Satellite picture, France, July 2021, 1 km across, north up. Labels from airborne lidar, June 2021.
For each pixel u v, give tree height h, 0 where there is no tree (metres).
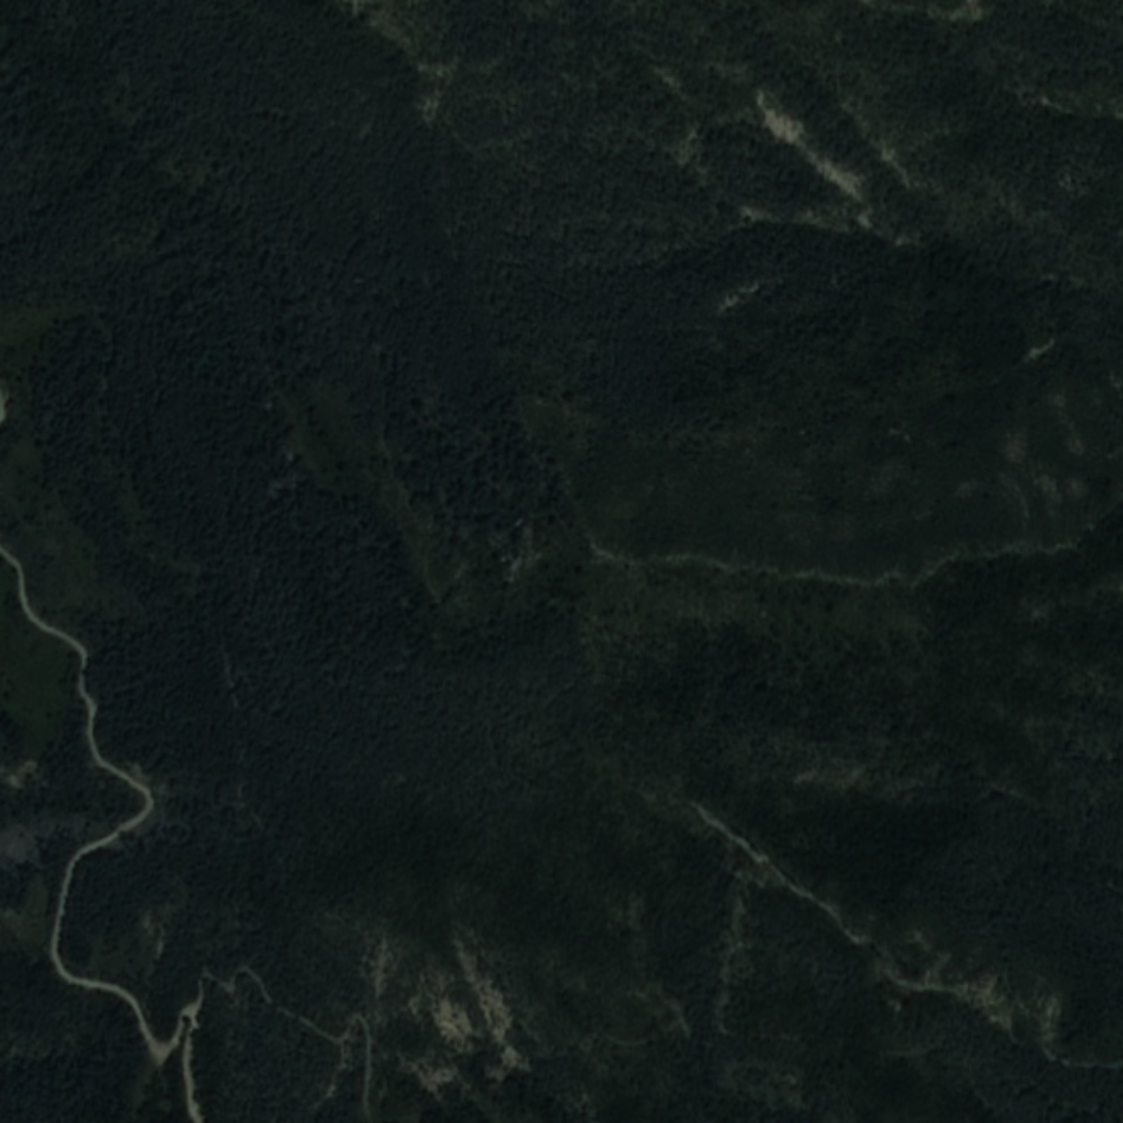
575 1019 6
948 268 12
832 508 9
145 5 7
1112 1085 19
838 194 11
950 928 8
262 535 9
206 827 11
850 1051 8
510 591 6
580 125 11
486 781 7
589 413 7
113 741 7
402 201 11
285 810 7
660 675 10
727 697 15
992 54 7
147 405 14
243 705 8
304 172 12
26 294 9
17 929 0
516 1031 9
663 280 12
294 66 8
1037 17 10
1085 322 10
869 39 11
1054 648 9
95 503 9
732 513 0
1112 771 13
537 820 7
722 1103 8
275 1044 5
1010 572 10
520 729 11
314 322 10
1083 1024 11
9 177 8
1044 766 6
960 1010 12
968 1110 7
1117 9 7
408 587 8
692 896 8
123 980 6
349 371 8
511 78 10
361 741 9
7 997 7
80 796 11
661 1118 6
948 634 7
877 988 8
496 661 12
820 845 9
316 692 9
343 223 14
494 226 12
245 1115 8
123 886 7
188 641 9
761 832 7
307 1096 10
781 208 11
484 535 6
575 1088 7
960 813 10
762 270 11
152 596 11
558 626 11
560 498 13
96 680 9
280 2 15
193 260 8
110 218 7
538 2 11
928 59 10
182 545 11
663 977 9
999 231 10
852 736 13
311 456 0
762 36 12
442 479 12
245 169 10
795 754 8
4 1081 10
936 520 6
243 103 12
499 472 13
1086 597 8
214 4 7
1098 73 10
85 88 7
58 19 12
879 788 9
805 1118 7
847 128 15
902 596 6
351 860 8
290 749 6
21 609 6
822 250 15
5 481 0
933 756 12
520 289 10
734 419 8
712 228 9
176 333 7
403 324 16
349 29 11
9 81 11
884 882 10
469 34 9
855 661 9
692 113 10
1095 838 8
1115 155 11
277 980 8
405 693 11
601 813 7
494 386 14
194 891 8
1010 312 6
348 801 7
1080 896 10
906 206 9
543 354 11
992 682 10
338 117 7
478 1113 10
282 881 7
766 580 11
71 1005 8
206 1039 11
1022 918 18
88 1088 9
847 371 6
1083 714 16
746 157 9
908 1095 6
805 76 11
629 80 9
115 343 10
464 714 9
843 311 8
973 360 7
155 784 6
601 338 9
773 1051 6
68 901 9
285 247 8
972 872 13
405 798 8
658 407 11
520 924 7
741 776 7
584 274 13
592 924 7
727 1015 7
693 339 8
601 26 9
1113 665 6
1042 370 6
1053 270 9
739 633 10
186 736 8
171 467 10
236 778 6
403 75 10
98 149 10
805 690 9
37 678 0
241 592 8
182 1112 8
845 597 8
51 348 6
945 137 7
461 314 11
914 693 7
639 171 13
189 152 8
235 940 10
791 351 8
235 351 12
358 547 14
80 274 11
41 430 6
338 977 9
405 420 12
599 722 8
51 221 11
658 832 7
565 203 12
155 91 7
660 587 7
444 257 10
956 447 10
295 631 12
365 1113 0
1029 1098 13
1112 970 16
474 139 7
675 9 11
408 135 9
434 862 8
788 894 6
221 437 12
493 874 7
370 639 8
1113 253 7
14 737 9
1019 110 9
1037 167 9
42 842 9
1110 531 8
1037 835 16
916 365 8
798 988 8
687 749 7
